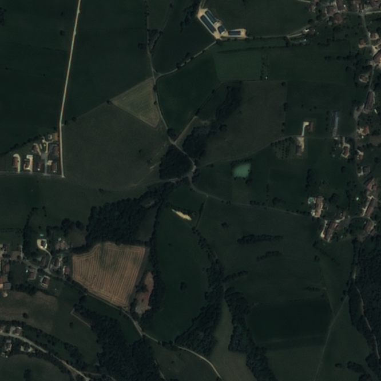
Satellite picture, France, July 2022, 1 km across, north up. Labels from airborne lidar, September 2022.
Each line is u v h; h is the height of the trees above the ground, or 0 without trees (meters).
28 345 10
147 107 0
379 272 12
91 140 0
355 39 0
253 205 14
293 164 0
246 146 0
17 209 0
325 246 0
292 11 0
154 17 0
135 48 0
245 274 15
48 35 0
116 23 0
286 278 0
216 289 9
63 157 0
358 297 15
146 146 0
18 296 0
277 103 0
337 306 0
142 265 0
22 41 0
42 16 0
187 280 0
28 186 0
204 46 0
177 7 0
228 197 0
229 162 0
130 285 0
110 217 24
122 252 0
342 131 0
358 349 0
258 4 0
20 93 0
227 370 0
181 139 0
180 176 17
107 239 20
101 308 0
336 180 0
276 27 0
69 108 0
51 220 0
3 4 0
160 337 0
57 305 0
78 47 0
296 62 0
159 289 23
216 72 0
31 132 0
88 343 0
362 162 0
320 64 0
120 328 9
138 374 20
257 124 0
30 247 17
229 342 0
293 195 0
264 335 0
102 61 0
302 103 0
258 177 0
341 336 0
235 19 0
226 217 0
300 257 0
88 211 0
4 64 0
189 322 0
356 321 11
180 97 0
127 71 0
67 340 0
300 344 0
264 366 15
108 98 0
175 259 0
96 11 0
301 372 0
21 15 0
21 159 0
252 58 0
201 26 0
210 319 15
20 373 0
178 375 0
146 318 16
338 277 0
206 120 0
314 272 0
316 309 0
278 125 0
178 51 0
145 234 0
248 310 14
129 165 0
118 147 0
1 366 0
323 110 0
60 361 15
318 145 0
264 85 0
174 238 0
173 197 0
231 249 0
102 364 20
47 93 0
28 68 0
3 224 0
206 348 11
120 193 0
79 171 0
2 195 0
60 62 0
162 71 0
